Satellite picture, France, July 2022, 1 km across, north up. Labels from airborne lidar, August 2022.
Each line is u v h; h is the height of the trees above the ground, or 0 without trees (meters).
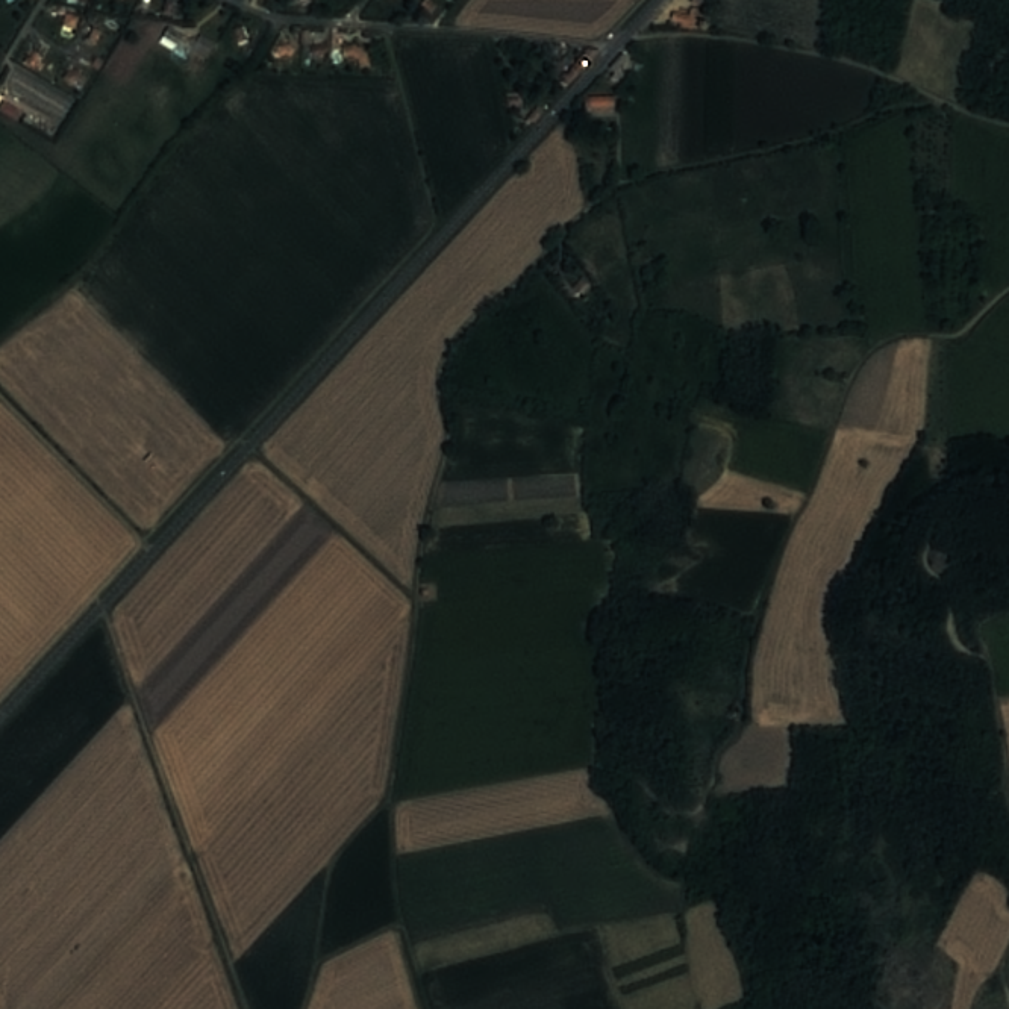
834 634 20
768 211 0
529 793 0
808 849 9
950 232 8
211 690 0
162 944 0
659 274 11
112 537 0
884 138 0
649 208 0
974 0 10
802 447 0
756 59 0
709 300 0
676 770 9
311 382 0
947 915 7
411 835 0
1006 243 0
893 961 0
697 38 0
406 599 0
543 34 0
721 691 0
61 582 0
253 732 0
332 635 0
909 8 6
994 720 6
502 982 0
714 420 0
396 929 0
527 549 0
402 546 0
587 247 0
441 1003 0
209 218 0
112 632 0
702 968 0
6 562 0
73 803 0
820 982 14
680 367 0
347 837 0
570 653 0
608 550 6
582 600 0
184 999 0
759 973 8
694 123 0
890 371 0
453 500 0
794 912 15
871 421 0
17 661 0
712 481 0
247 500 0
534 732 0
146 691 0
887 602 12
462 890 0
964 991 0
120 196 0
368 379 0
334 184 0
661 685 7
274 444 0
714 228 0
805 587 0
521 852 0
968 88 9
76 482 0
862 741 10
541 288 0
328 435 0
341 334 0
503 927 0
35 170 0
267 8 7
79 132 0
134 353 0
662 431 0
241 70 20
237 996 0
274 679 0
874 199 0
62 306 0
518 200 0
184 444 0
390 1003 0
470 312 0
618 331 0
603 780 13
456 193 0
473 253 0
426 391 0
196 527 0
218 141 0
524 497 0
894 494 11
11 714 0
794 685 0
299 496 0
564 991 0
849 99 0
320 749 0
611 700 14
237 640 0
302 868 0
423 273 0
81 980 0
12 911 0
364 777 0
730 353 12
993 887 0
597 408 0
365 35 5
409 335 0
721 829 7
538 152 0
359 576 0
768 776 0
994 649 0
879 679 14
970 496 16
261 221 0
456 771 0
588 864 0
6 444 0
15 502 0
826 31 7
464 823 0
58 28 0
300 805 0
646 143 0
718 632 5
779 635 0
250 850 0
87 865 0
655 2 0
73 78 0
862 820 11
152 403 0
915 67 0
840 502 0
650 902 0
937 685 14
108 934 0
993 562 10
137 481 0
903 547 15
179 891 0
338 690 0
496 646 0
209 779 0
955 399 0
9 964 0
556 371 0
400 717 0
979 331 0
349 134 0
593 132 14
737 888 12
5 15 0
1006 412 0
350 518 0
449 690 0
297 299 0
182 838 0
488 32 0
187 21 9
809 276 0
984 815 11
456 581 0
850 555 0
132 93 0
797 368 0
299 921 0
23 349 0
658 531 6
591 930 0
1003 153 0
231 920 0
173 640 0
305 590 0
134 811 0
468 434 0
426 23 10
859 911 7
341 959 0
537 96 18
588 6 0
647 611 12
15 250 0
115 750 0
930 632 10
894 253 0
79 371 0
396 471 0
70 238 0
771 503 11
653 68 0
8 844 0
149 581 0
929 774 14
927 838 13
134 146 0
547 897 0
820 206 0
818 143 10
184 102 0
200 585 0
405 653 0
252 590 0
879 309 0
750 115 0
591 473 0
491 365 0
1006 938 0
